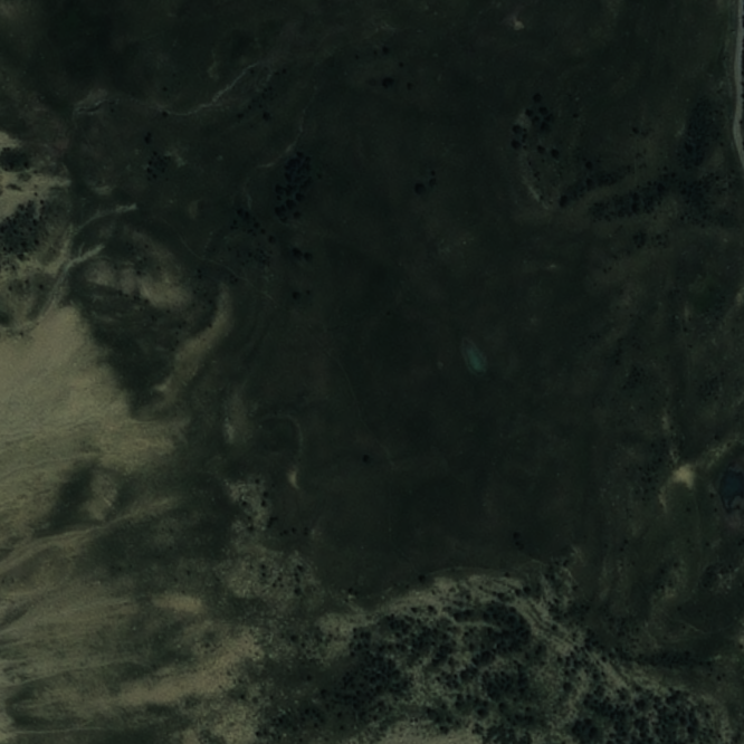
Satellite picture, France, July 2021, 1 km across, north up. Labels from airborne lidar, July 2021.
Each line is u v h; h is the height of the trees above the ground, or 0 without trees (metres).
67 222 0
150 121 0
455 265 0
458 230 0
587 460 0
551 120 18
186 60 0
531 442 0
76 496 0
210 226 0
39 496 0
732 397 0
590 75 0
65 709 0
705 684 0
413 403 0
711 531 0
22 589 0
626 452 0
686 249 0
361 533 0
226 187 0
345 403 0
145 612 0
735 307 0
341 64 0
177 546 0
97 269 0
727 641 0
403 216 0
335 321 0
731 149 0
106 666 0
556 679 0
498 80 0
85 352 0
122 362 0
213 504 0
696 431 0
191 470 0
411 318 0
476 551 0
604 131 0
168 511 0
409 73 0
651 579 0
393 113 0
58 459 0
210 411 0
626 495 0
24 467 0
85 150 0
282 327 0
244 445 0
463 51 0
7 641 0
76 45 0
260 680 0
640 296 0
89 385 0
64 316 0
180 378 0
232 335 0
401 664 0
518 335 0
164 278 0
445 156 0
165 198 0
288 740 0
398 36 0
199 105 0
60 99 0
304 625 0
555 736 0
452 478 0
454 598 0
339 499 0
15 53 0
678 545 0
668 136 0
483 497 0
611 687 0
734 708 0
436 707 0
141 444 0
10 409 0
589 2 0
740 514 0
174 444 0
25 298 0
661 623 0
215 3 0
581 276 0
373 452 0
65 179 0
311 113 0
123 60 0
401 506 0
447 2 0
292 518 0
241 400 0
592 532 0
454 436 0
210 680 0
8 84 0
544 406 0
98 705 0
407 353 0
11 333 0
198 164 0
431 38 0
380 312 0
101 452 0
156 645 0
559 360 0
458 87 0
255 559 0
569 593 0
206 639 0
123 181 0
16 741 0
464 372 0
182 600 0
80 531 0
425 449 0
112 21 0
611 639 0
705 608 0
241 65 0
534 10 0
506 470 0
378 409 0
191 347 0
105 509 0
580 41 0
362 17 0
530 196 0
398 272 0
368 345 0
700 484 0
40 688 0
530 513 0
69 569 0
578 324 0
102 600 0
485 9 0
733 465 0
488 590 0
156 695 0
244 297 0
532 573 0
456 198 0
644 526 0
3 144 0
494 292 0
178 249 0
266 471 0
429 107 0
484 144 0
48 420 0
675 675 0
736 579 0
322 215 0
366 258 0
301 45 0
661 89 0
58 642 0
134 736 0
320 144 0
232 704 0
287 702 0
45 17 0
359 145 0
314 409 0
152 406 0
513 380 0
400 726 0
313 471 0
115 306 0
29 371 0
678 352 0
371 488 0
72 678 0
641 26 0
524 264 0
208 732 0
